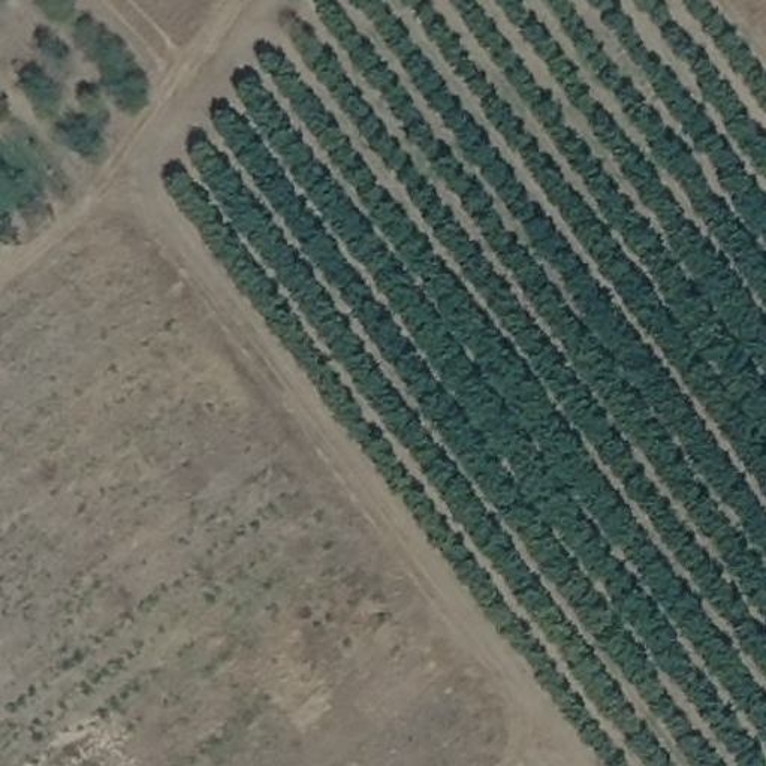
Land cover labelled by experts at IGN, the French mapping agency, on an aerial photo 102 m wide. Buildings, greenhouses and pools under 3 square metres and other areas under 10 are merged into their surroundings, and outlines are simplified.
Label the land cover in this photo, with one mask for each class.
<instances>
[{"label":"deciduous trees","instance_id":"1","mask_svg":"<svg viewBox=\"0 0 766 766\"><path fill-rule=\"evenodd\" d=\"M36 6L51 21H63L75 30L81 51L99 69L96 81L78 84L81 102L75 114L66 117L57 105L60 84L51 81L39 63H24L18 72V84L33 102L36 114L45 117L75 153H81L84 159H99L108 120L120 111H141L147 105V96L150 90L144 69L129 54L123 36L111 33L90 12H81L75 0H36ZM386 36L389 48L401 57L416 87L431 102V108L440 111L446 126L458 135L464 153L500 189L512 215L524 221L530 242L521 245L512 230L503 227L500 215L491 206V197L482 192V183L464 174V168L452 159L449 144L434 138L431 126L413 108L410 96L401 90L398 75L377 57L374 45L344 15L338 0H314L326 27L350 51V60L386 96L404 132L428 153L431 165L449 183V189L461 194L464 209L479 221L482 233L491 239V248L503 257L506 266L515 269L521 287L530 293V299L539 305L548 323L563 335V350H557L548 341V335H542V329L533 323V317L518 305V299L509 290V281L491 269V263L482 257L479 242H473L467 230L455 221L452 209L437 197V189L428 186V180L416 171L413 159L386 132L383 120L365 102L362 90L353 87V81L338 66L332 48L314 36V27L308 21L293 36L305 63L332 90V96L368 138L371 150L383 159V165L398 174L410 197L419 203L422 215L434 224L443 245L455 251L470 278L485 290L494 311H500L509 329L518 332L515 341L503 338L494 329L488 311H482L473 302L461 278L431 251L425 233L416 230L404 206L374 180L371 168L350 147V138L338 129L335 117L320 105L314 90L302 84L284 51L278 57L257 54V57L266 63L269 75L296 105V111L329 150V156L338 162V168L353 180L362 200L371 206L368 215H362L350 203V197L329 177V171L311 156L302 135L290 126V120L284 117L278 102L263 90L257 75L236 87L239 99H233L230 105L224 99H212L209 117L215 129L248 165L251 177L272 197L278 212L290 221L293 233L299 236V245L290 248L284 242L266 206L242 186L227 156L218 153L209 138L189 153L197 162L200 174L209 180V186L218 192V206H209L206 189L192 183L186 171L174 180H165L168 194L177 200L186 218L194 221L212 257L227 269L239 293H245L251 305L263 314L266 326L293 353L296 365L305 368L323 404L362 446L377 473L386 479L389 491L404 500V506L413 512V521L425 530L428 542L455 569L458 580L470 586V595L494 622V628L503 637H509L512 649L527 655L539 685L551 691L560 712L575 724L580 739L598 754L604 766H628L622 751L586 715L580 694L569 688V682L557 673L554 658H548L545 646L530 634V622L536 619L551 634V640L560 643L569 667L589 688L598 709L607 712V718H613V724L634 745L646 766H673L667 748L646 727V721L634 715V706L625 700L622 688L595 658V649L601 646L628 673V679L637 685L649 709L667 721L691 766H724V760H718L703 733L691 727L685 712L661 688L658 673H670L685 688V694L697 703V712L736 754L739 766H766V691L751 679V673L736 658L730 637L709 622V616L703 613V601L712 598V604L736 625L745 649L757 658V664L766 673V512L754 500L745 479L733 470L730 458L718 449L706 425L697 419L691 401L676 389L670 374L652 356V350L613 308L610 293L592 281L586 263L572 251L566 236L542 212V206L527 194V189L515 177V168L500 156L497 147H491L488 132L473 120V114L461 105L455 93H449L446 81L431 66V60L413 45L407 24L392 15V9L383 0H353ZM308 200H317L332 215V224L341 230L353 254L371 266L374 278L389 293L386 305H380L368 293L359 272L344 263L335 239L323 230V221L305 209ZM239 233H248L257 242L263 257H269V263L275 266V278H266L260 263L239 245ZM314 269H323L341 287L344 299L353 305L347 314L335 311L332 296L320 290V284L314 281ZM278 287H290L296 293L299 305L308 311L311 323L332 347L326 356L308 341L299 320L290 314V305L278 296ZM356 317L371 332L386 359L401 371L404 383L419 398L416 407H407L401 401L395 386L380 374L377 362L365 353L362 341L350 332V320ZM329 359H341L350 368L353 380L362 386L374 410L386 416L401 443L434 479L443 500L455 509V518L464 527H470V536L497 563L521 604L530 607L527 619H518L506 607L491 577L464 548V539L449 530L446 518L425 497L422 485L395 458L380 428L362 419L350 389L329 368ZM422 419L437 422L443 437L458 449V455H464L482 488L497 503L494 515L482 509L470 482L458 473L455 461H449V455L422 431ZM583 440H592L598 446L604 461L622 476L625 488L649 512L667 545H673L676 557L697 575V592H691L688 583L673 575L667 557L658 554L655 545L646 539V530L631 518L628 506L598 473V467L586 458ZM640 446L652 458L664 482L679 494L685 509L700 521L703 533L721 548L718 560H712L694 542L691 530L679 524L670 503L652 488V482H646L643 467L631 455V449ZM709 488H718L721 497L739 512L742 524L736 530L712 506ZM506 518L518 527L533 557L539 560L542 569L536 575L521 563L512 539L500 530V521ZM548 575L560 583L563 595L592 628V643H586L575 631V625L563 616V610L539 583ZM685 634L694 640L706 664L715 667L727 691L742 703L748 718L757 724V736H748L736 724L733 709L718 700L715 688L688 661V655L676 643ZM422 18L425 33L440 45L443 57L482 99V108L506 135V141L524 156L533 177L542 183L548 197L563 209L575 233L598 260L601 272L616 281L622 299L637 311L643 326L661 341L667 356L679 365L691 389L703 398L709 413L718 419L721 431L733 440L742 461L754 470L766 491V192H760L757 180L745 174L727 138L715 132L706 111L679 84L676 72L643 45L619 0H589L601 12V21L616 30L631 60L643 66L655 93L667 102L673 117L682 120L694 141H700V150L712 159L721 186L733 192L736 203L745 209L742 218H733L724 197L709 192L703 171L688 153V147L661 123L655 108L643 102L631 78L619 75V69L604 54V45L583 24L572 0H545L557 12L563 30L586 57V63L595 69L598 81L622 102L631 123L649 138L652 150L664 159L667 171L685 186L694 209L709 221L712 230L700 236V230L682 215L670 189L661 186L655 165L643 159V153L616 126V120L589 96L586 84L577 78L575 63L551 39L548 27L536 18V12L524 6V0H497L506 9L509 21L521 27L524 39L548 63L554 78L566 87L572 105L589 120L601 144L613 150L625 177L637 186L643 203H649L658 212L664 224L652 230L643 215L634 212L631 200L616 189L604 165L589 153L586 141L566 126L554 96L536 84L533 72L512 51L509 39L497 30L494 18L485 15V9L476 0H452L470 24V30L476 33V39L491 51L497 66L515 84L521 99L530 102L542 126L557 141V147L569 156L572 168L595 192L598 203L607 212L604 221H598L592 209L583 203V197L563 180L557 162L524 129V120L515 117L509 102L497 96L488 75L470 60L458 33L446 24V18L434 9L431 0H404ZM610 230H622L628 242L658 272L661 290L667 296L664 302L655 299L652 284L619 251V245L610 239ZM637 6L661 30L664 42L682 60L691 63V72L697 75L703 96L715 102L724 123L751 153L754 165L766 171V129L748 117L733 87L718 75L706 51L688 36V30H682L670 18L667 0H637ZM685 9L703 24V30L715 39V45L727 54L730 66L745 78L757 102L766 108V69L751 54L748 42L739 39L736 27L709 0H685ZM36 48H45L57 60L69 57L66 45L48 27H36ZM42 194H69V180L60 162H54L45 153L39 138L27 129V123L18 120L0 102V248L6 242L24 245L36 239L39 221L51 215V203L42 200Z\"/></svg>","mask_w":766,"mask_h":766},{"label":"agricultural land","instance_id":"2","mask_svg":"<svg viewBox=\"0 0 766 766\"><path fill-rule=\"evenodd\" d=\"M299 9V0H242V9L221 33L215 51L197 66L194 78H189L186 87H177L168 105H156L147 96V105L141 111H120L108 120L99 159H84L81 153H75L45 117L36 114L33 102L18 84V72L24 63H39L51 81L60 84L57 105L66 117L75 114L81 102L78 84L96 81L99 69L81 51L75 30L63 21H51L36 6V0H0V102L18 120L27 123V129L39 138L45 153L54 162H60L69 180V194H42V200L51 203V215L39 221L36 239L24 245L6 242L0 248V766H604L598 754L580 739L575 724L560 712L551 691L539 685L527 655L512 649L509 637H503L494 628V622L470 595V586L458 580L455 569L428 542L425 530L413 521V512L404 506V500L389 491L386 479L377 473L362 446L323 404L305 368L296 365L293 353L266 326L263 314L251 305L245 293H239L227 269L212 257L194 221L186 218L177 200L168 194L165 180V165L186 150V138L192 129L209 135L215 129L209 117L212 99H224L230 105L233 99H239L236 87L230 81L233 72L245 69L257 57V54L254 42H269L281 48L290 39V33L278 24V12ZM36 27H48L66 45L69 57L57 60L45 48H36ZM215 0H75L81 12H90L111 33L123 36L129 54L144 69L150 90L177 66L174 54H168V45H189L209 18V6ZM736 27L739 39L748 42L751 54L766 69V0H709Z\"/></svg>","mask_w":766,"mask_h":766},{"label":"herbaceous vegetation","instance_id":"3","mask_svg":"<svg viewBox=\"0 0 766 766\"><path fill-rule=\"evenodd\" d=\"M242 9V0H215L209 6V18L189 45H168V54H174L177 66L150 90L147 96L156 105H168L177 87H186L189 78H194L197 66L215 51L221 33ZM308 21L314 27V36L332 48L338 66L353 81V87L362 90L365 102L383 120L386 132L413 159L416 171L428 180V186L437 189V197L452 209L455 221L467 230L473 242H479L482 257L491 263V269L509 281V290L518 299V305L533 317V323L542 329V335H548V341L557 350H563V335L548 323L539 305L530 299V293L521 287L515 269L506 266L503 257L491 248V239L482 233L479 221L464 209L461 194L449 189V183L431 165L428 153L404 132L386 96L350 60V51L326 27L314 0H299V9L278 12V24L290 33V39L281 48L269 42H254L257 54L278 57L284 51L302 84L314 90L320 105L335 117L338 129L350 138V147L371 168L374 180L404 206L416 230L425 233L431 251L461 278L473 302L482 311H488L494 329L503 338L515 341L518 332L509 329L500 311H494L485 290L470 278L455 251L443 245L434 224L422 215L419 203L410 197L398 174L383 165V159L371 150L368 138L332 96V90L305 63L293 36ZM344 15L374 45L377 57L398 75L401 90L410 96L413 108L431 126L434 138L449 144L452 159L464 168V174L482 183V192L491 197V206L500 215L503 227L512 230L521 245L530 242L524 221L512 215L500 189L464 153L458 135L446 126L440 111L431 108V102L416 87L401 57L389 48L386 36L353 0H338ZM392 9V15L407 24L413 45L431 60V66L446 81L449 93H455L461 105L473 114V120L488 132L491 147H497L500 156L515 168V177L527 189V194L542 206V212L566 236L572 251L586 263L592 281L610 293L613 308L652 350V356L670 374L676 389L691 401L697 419L706 425L718 449L730 458L733 470L745 479L754 500L766 512V491L754 470L742 461L733 440L721 431L718 419L709 413L703 398L691 389L679 365L667 356L661 341L643 326L637 311L622 299L616 281L601 272L598 260L575 233L563 209L548 197L542 183L533 177L524 156L506 141V135L482 108V99L443 57L440 45L425 33L422 18L404 0H383ZM434 9L446 18V24L458 33L470 60L488 75L497 96L509 102L515 117L524 120V129L557 162L563 180L583 197V203L592 209L598 221H604L607 212L598 203L595 192L572 168L569 156L557 147V141L542 126L530 102L521 99L515 84L497 66L491 51L476 39V33L470 30V24L452 0H431ZM485 9V15L494 18L497 30L509 39L512 51L533 72L536 84L554 96L566 126L586 141L589 153L604 165L616 189L631 200L634 212L643 215L652 230L664 224L658 212L649 203H643L637 186L625 177L613 150L601 144L589 120L572 105L566 87L554 78L548 63L524 39L521 27L509 21L506 9L497 0H476ZM524 6L536 12V18L548 27L551 39L575 63L577 78L586 84L589 96L616 120V126L643 153V159L655 165L661 186L670 189L682 215L700 230V236L712 230L709 221L694 209L685 186L667 171L664 159L652 150L649 138L631 123L622 102L598 81L595 69L586 63V57L563 30L557 12L545 0H524ZM583 24L604 45V54L619 69V75L631 78L643 102L655 108L661 123L688 147V153L703 171L709 192L724 197L733 218H742L745 209L736 203L733 192L721 186L712 159L700 150V141H694L682 120L673 117L667 102L655 93L643 66L631 60L616 30L601 21V12L589 0H572ZM643 45L676 72L679 84L706 111L715 132L727 138L745 174L757 180L760 192H766V171L754 165L751 153L724 123L715 102L703 96L697 75L691 72V63L682 60L664 42L661 30L637 6V0H619ZM670 18L682 30H688V36L706 51L718 75L733 87L748 117L766 129V108L757 102L745 78L730 66L727 54L715 45V39L703 30V24L685 9V0H667ZM257 75L263 90L278 102L284 117L290 120V126L302 135L311 156L329 171V177L350 197V203L362 215H368L371 206L362 200L353 180L338 168V162L329 156V150L296 111V105L269 75L266 63L257 57L245 69L233 72L230 81L236 87ZM209 138L218 153L227 156L242 186L266 206L284 242L290 248L299 245V236L293 233L290 221L278 212L272 197L251 177L248 165L215 129L209 135L192 129L186 138V150L165 165V180H174L186 171L192 183L206 189L209 206H218V192L209 186V180L200 174L197 162L189 153ZM305 209L323 221V230L335 239L344 263L359 272L368 293L380 305H386L389 293L374 278L371 266L353 254L341 230L332 224V215L317 200H308ZM610 239L619 245V251L652 284L655 299L664 302L667 296L661 290L658 272L628 242L622 230H610ZM239 245L260 263L266 278H275V266L269 263V257H263L257 242L248 233H239ZM314 281L320 284V290L332 296L335 311L347 314L353 305L344 299L341 287L323 269H314ZM278 296L290 305V314L299 320L308 341L326 356L332 347L311 323L308 311L299 305L296 293L290 287H278ZM350 332L362 341L365 353L377 362L380 374L395 386L401 401L407 407H416L419 398L404 383L401 371L386 359L371 332L356 317L350 320ZM329 368L350 389L362 419L380 428L395 458L422 485L425 497L446 518L449 530L464 539V548L491 577L506 607L518 619H527L530 607L521 604L497 563L470 536V527H464L455 518V509L443 500L434 479L401 443L386 416L374 410L362 386L353 380L350 368L341 359H329ZM422 431L449 455V461H455L458 473L470 482L482 509L494 515L497 503L482 488L464 455H458V449L443 437L437 422L422 419ZM586 458L598 467V473L628 506L631 518L646 530V539L655 545L658 554L667 557L673 575L688 583L691 592H697V575L676 557L673 545H667L649 512L625 488L622 476L604 461L598 446L592 440H583ZM631 455L643 467L646 482H652V488L670 503L679 524L691 530L694 542L712 560H718L721 548L703 533L700 521L685 509L679 494L664 482L652 458L640 446L631 449ZM712 506L736 530L742 524L739 512L721 497L718 488H709ZM500 530L512 539L521 563L536 575L542 569L539 560L533 557L518 527L506 518L500 521ZM539 583L563 610V616L575 625V631L586 643H592V628L563 595L560 583L548 575ZM703 613L709 616V622L730 637L736 658L751 673V679L766 691V673L757 664V658L745 649L736 625L712 604V598L703 601ZM530 634L545 646L548 658H554L557 673L569 682V688L580 694L586 715L622 751L628 766H646L634 745L613 724V718H607V712L598 709L589 688L569 667L560 643L551 640V634L536 619L530 622ZM676 643L688 655V661L715 688L718 700L733 709L736 724L748 736H757V724L748 718L742 703L727 691L715 667L706 664L694 640L685 634ZM595 658L622 688L625 700L634 706V715L646 721V727L667 748L673 766H691L667 721L649 709L637 685L628 679V673L601 646L595 649ZM661 688L685 712L691 727L703 733L718 760H724V766H739L736 754L697 712V703L685 694V688L670 673H658Z\"/></svg>","mask_w":766,"mask_h":766}]
</instances>
